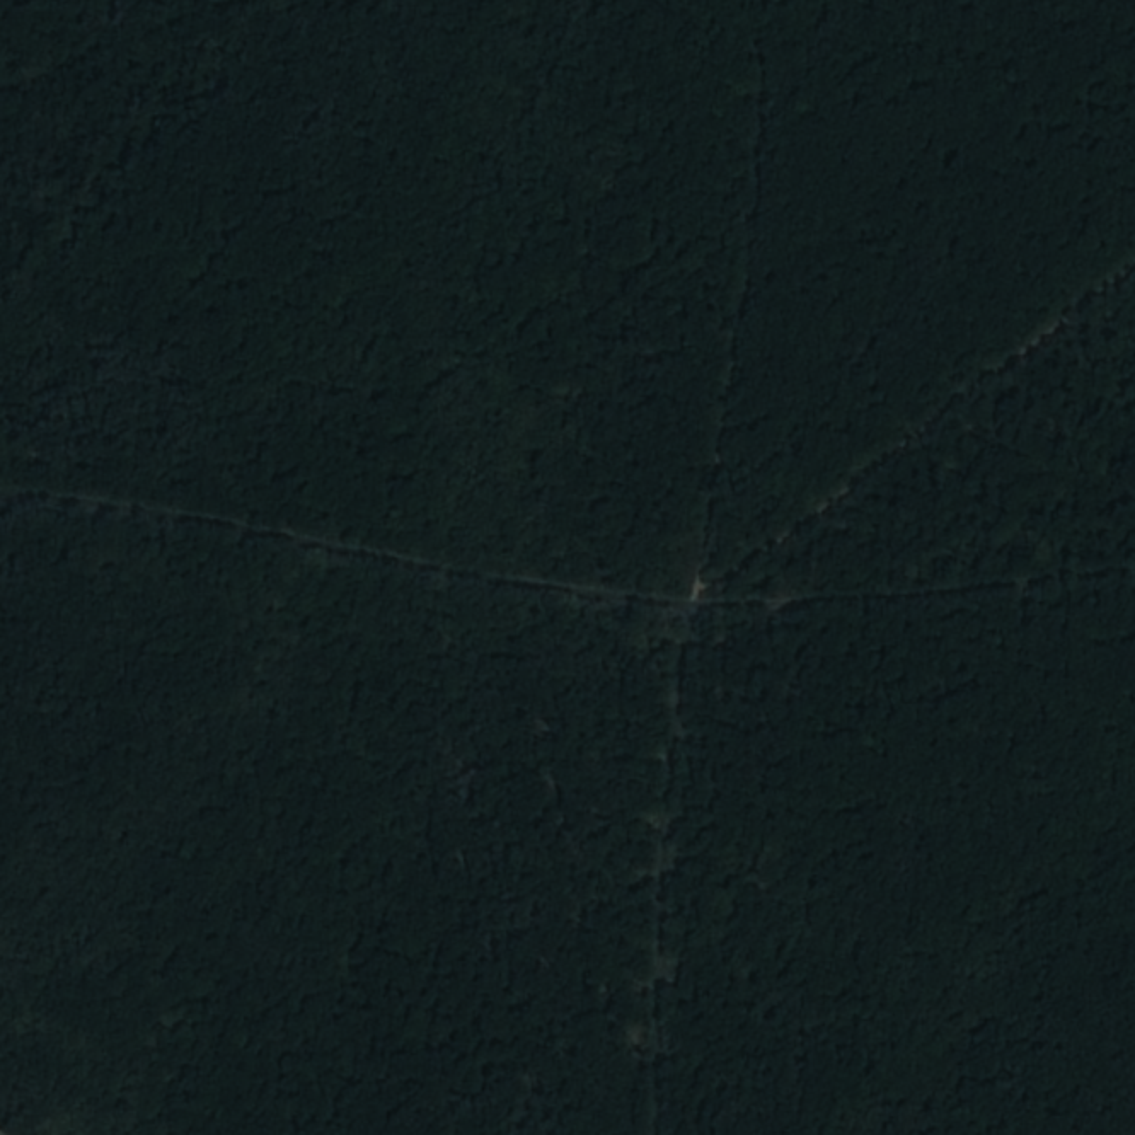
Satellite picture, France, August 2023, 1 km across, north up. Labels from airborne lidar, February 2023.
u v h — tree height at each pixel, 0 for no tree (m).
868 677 21
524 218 20
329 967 19
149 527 19
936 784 23
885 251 19
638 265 18
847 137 23
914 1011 22
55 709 18
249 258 23
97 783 17
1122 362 18
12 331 21
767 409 23
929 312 20
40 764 16
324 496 17
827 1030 16
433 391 15
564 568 14
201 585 18
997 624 21
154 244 21
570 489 17
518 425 19
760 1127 21
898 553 20
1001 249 24
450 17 19
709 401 24
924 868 22
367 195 20
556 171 19
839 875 23
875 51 21
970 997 21
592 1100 23
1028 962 19
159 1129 18
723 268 22
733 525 22
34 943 19
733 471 16
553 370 23
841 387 17
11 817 22
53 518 15
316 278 18
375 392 10
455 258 21
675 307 21
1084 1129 20
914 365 23
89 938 23
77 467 22
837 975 22
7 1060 21
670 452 22
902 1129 23
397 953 18
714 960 20
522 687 23
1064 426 18
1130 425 19
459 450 23
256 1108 23
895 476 13
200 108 25
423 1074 24
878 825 23
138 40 24
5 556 20
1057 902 22
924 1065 19
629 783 18
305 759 22
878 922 23
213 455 23
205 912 18
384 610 18
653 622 14
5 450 21
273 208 22
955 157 7
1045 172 24
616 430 21
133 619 15
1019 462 23
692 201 20
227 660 13
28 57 23
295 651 19
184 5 20
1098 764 21
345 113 22
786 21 22
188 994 23
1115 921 24
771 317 23
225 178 21
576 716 23
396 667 20
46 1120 15
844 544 20
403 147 21
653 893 19
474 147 20
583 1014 21
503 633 11
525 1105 23
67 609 21
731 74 24
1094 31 22
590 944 26
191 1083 23
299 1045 21
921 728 22
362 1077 20
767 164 19
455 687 22
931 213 22
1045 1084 22
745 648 14
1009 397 9
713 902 24
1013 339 21
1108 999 20
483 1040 19
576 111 23
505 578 17
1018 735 21
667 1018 18
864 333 20
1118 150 22
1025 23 21
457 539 15
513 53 21
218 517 18
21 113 18
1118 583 21
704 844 19
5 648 17
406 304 20
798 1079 25
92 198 18
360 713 20
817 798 23
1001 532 21
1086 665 22
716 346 22
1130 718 22
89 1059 17
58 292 17
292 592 18
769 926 22
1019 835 21
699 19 21
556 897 23
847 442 23
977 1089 21
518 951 24
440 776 23
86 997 22
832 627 20
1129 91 21
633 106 20
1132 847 21
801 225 24
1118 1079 22
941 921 24
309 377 19
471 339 19
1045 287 21
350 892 21
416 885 22
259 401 20
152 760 20
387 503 22
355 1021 25
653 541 20
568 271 21
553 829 24
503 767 25
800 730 21
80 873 19
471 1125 20
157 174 24
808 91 22
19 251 20
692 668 18
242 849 23
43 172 9
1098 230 24
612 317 22
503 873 22
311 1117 21
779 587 16
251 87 21
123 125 29
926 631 22
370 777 20
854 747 23
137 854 18
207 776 16
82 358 20
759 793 22
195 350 21
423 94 22
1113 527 16
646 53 16
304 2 24
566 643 19
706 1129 22
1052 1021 21
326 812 24
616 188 17
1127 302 21
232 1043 24
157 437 20
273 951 18
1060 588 23
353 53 21
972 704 22
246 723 20
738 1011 22
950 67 23
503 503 17
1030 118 25
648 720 23
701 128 23
